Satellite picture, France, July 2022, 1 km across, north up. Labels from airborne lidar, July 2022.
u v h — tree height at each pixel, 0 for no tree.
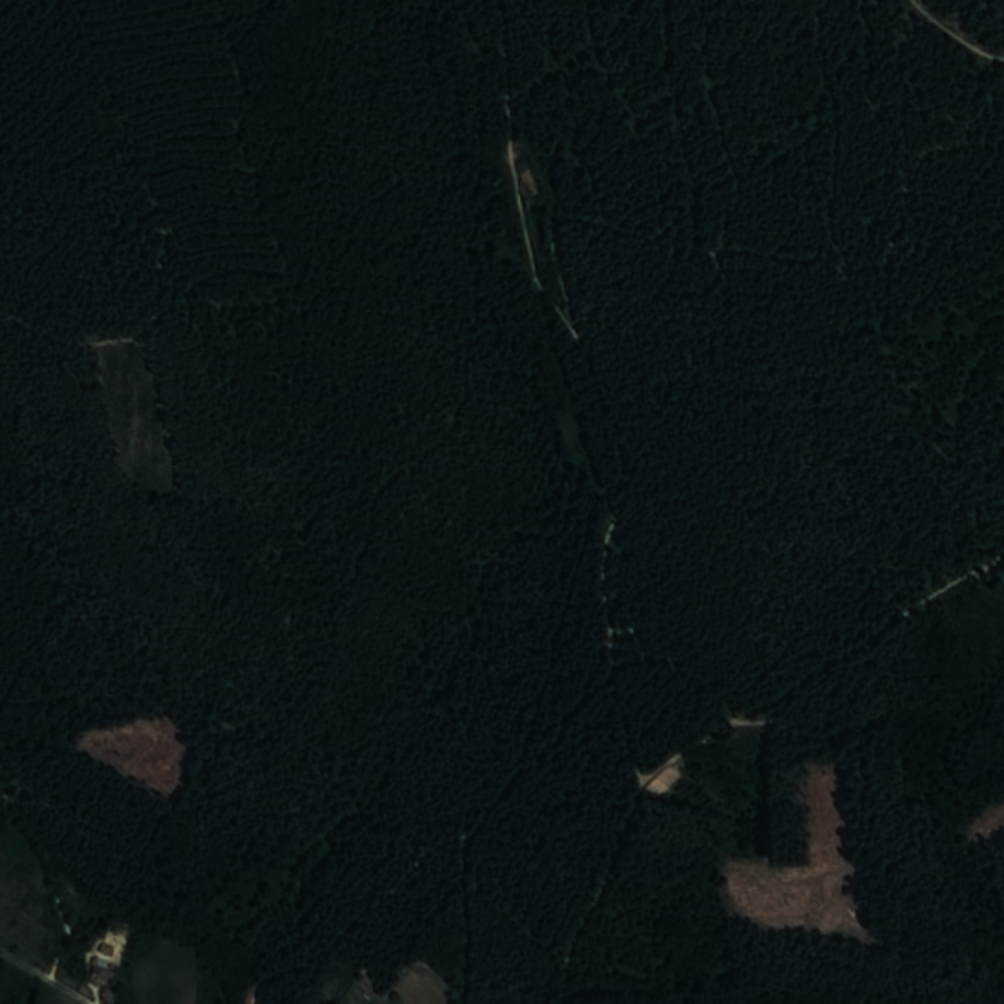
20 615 22
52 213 23
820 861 0
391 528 21
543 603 22
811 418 22
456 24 22
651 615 24
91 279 24
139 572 24
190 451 22
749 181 21
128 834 22
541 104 20
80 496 23
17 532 15
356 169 19
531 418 21
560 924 19
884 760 29
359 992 0
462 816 19
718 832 36
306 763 26
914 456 21
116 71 20
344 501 19
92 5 21
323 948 21
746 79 18
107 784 22
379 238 17
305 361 18
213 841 24
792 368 24
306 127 17
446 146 23
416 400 16
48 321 20
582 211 21
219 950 19
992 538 15
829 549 27
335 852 10
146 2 22
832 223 11
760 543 17
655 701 24
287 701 27
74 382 22
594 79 20
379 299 14
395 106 20
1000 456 11
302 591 19
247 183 22
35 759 26
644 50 19
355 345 19
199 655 18
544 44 21
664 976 12
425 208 25
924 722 12
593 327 18
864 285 22
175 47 21
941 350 10
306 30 19
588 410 23
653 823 37
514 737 20
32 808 24
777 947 27
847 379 18
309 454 18
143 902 30
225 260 23
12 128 25
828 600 25
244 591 17
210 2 25
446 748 14
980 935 23
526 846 17
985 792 21
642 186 22
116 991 16
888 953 27
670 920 14
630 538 18
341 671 26
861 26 17
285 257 14
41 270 22
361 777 32
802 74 22
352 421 19
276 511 13
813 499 24
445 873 22
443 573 18
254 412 15
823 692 23
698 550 18
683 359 22
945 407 9
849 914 0
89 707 19
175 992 0
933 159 14
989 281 11
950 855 9
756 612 22
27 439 25
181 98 20
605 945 10
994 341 18
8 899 0
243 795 27
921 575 24
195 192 22
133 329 18
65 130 21
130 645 20
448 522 17
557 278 9
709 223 20
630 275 19
